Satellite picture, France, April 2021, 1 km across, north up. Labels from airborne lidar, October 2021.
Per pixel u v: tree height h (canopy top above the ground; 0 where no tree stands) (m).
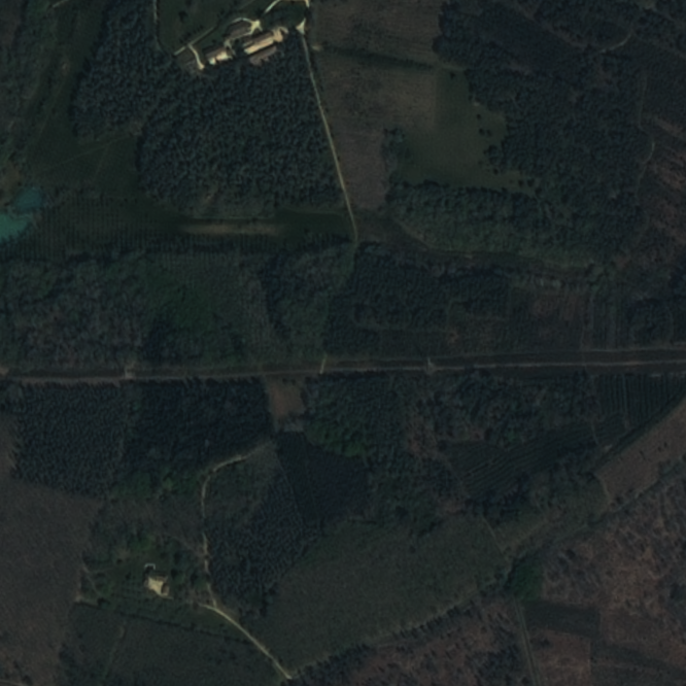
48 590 23
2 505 22
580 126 18
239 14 9
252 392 23
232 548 20
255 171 18
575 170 25
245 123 18
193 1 9
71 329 15
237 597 19
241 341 22
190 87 14
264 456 16
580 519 15
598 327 7
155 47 17
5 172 12
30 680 16
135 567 0
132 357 21
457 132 0
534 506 14
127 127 22
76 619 17
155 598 10
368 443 22
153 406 16
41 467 17
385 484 8
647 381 10
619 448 8
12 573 21
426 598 13
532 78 11
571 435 9
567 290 18
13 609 21
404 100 0
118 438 18
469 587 13
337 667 19
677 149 8
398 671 13
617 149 18
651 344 10
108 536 19
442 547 13
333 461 12
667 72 7
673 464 11
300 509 17
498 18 8
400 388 9
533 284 23
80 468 17
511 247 15
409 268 13
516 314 7
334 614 15
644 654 0
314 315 21
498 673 23
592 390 19
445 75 0
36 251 19
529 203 19
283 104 17
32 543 21
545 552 13
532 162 14
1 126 14
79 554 20
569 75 8
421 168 0
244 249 13
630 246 24
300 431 24
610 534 15
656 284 14
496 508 20
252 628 14
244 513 12
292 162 18
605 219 21
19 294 25
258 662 14
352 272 20
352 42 6
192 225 0
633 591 0
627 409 7
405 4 10
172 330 22
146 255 11
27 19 20
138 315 11
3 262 23
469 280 11
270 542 19
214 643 15
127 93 17
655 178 5
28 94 30
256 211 23
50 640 20
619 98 18
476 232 21
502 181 0
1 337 27
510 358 0
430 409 17
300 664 14
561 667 0
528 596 16
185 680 15
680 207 8
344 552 12
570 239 21
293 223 0
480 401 20
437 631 20
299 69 13
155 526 20
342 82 8
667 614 9
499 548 12
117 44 17
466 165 0
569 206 16
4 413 16
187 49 10
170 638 17
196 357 22
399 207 18
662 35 24
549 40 9
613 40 7
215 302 17
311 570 13
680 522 13
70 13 11
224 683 16
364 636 14
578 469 23
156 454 23
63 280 14
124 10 22
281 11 13
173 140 15
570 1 25
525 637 0
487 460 9
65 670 15
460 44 21
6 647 20
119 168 14
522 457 7
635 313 12
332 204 15
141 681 16
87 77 13
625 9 15
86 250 14
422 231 17
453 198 15
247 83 17
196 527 20
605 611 0
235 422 21
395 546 10
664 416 8
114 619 15
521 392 14
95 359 18
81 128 15
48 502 21
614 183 19
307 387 9
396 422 21
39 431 16
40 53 20
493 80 20
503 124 0
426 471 13
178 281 19
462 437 19
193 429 20
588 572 12
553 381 10
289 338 19
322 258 23
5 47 11
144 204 0
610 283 11
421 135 0
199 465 17
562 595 18
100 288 17
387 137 14
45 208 11
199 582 14
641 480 0
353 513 12
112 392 18
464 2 18
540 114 25
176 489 15
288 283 24
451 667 13
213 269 18
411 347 9
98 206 12
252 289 20
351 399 18
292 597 12
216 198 10
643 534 14
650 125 7
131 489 23
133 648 16
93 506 19
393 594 13
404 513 10
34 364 22
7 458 22
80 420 15
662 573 14
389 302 11
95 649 16
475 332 6
